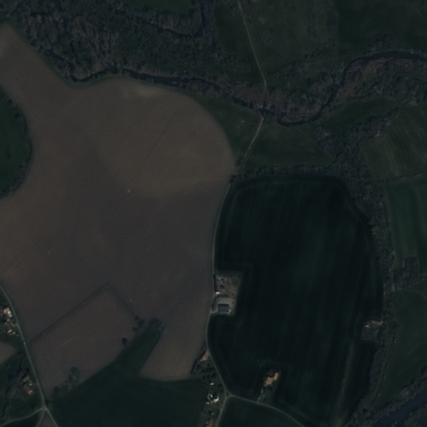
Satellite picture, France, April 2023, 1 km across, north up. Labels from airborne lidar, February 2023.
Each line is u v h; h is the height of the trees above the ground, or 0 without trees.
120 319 0
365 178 8
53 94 0
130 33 18
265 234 0
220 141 0
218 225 0
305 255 0
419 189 0
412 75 0
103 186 0
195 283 0
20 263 0
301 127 0
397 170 0
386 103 0
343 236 0
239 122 0
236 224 0
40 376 0
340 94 26
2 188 0
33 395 0
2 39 0
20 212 0
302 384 0
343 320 0
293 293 0
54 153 0
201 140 0
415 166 0
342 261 0
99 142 0
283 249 0
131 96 0
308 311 0
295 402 0
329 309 0
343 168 13
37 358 0
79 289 0
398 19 0
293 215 0
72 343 0
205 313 0
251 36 0
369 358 0
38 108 0
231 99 12
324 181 0
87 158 0
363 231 0
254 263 0
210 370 8
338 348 0
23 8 8
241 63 15
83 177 0
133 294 0
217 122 0
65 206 0
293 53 0
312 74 0
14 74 0
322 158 0
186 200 0
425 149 0
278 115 12
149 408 0
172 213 0
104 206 0
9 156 0
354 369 0
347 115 0
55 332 0
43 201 0
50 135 0
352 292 0
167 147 0
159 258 0
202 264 0
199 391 0
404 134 0
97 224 0
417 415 21
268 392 9
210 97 25
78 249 0
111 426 0
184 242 0
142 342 0
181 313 0
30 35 31
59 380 0
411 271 6
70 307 0
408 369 0
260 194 0
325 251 0
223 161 0
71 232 0
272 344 0
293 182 0
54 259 0
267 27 0
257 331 0
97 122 0
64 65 19
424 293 0
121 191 0
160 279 0
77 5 9
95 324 0
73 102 0
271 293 0
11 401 0
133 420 0
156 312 0
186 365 0
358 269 0
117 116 0
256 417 0
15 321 0
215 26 12
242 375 0
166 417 0
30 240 0
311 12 0
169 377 0
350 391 0
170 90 0
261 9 0
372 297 0
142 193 0
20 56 0
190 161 0
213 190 0
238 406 0
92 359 0
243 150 0
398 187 0
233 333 0
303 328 0
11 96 0
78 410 0
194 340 0
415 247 0
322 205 0
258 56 0
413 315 0
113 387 0
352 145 12
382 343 18
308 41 0
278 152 0
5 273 0
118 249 0
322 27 0
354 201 9
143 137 0
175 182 0
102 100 0
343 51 0
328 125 0
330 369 0
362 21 0
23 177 0
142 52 14
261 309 0
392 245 0
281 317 0
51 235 0
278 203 0
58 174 0
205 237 0
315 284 0
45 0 23
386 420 0
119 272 0
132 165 0
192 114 0
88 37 29
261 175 10
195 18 22
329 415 0
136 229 0
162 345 0
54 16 29
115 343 0
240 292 0
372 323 10
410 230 0
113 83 0
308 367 0
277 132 0
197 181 0
